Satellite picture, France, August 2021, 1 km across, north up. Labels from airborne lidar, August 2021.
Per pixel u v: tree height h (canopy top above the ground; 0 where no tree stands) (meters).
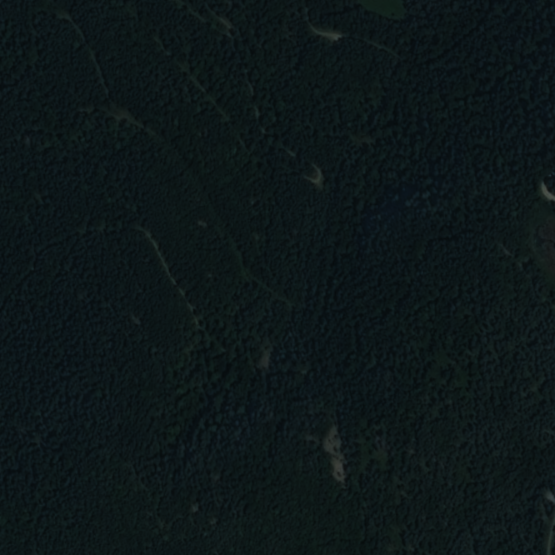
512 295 30
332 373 18
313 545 25
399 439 16
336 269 20
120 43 20
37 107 23
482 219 20
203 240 17
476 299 15
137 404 20
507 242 30
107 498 17
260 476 16
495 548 19
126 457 18
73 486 18
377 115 24
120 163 20
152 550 15
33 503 13
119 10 22
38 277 21
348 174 20
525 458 11
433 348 13
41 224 23
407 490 6
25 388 15
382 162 18
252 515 20
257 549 15
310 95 15
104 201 23
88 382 23
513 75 30
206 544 14
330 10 18
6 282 22
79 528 16
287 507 21
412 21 23
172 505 16
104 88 18
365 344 20
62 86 23
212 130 15
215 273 19
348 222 23
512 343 30
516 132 29
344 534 17
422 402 21
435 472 11
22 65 21
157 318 19
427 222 24
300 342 20
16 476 20
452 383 22
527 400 23
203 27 25
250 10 12
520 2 27
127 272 16
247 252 23
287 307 16
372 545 17
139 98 20
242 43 16
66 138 17
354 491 15
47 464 20
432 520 23
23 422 20
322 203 16
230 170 15
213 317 16
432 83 29
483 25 20
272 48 22
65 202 21
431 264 18
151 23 17
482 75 21
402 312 19
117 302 21
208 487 17
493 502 27
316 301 19
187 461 12
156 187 20
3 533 17
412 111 24
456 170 23
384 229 23
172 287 20
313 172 16
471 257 25
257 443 14
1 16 25
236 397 19
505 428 25
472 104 21
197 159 19
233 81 22
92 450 14
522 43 32
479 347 24
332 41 7
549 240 0
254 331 16
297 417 12
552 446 15
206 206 10
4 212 18
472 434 24
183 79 20
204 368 23
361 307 22
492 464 7
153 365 19
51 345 20
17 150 16
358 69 24
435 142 24
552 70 32
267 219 20
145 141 19
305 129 15
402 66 23
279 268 16
